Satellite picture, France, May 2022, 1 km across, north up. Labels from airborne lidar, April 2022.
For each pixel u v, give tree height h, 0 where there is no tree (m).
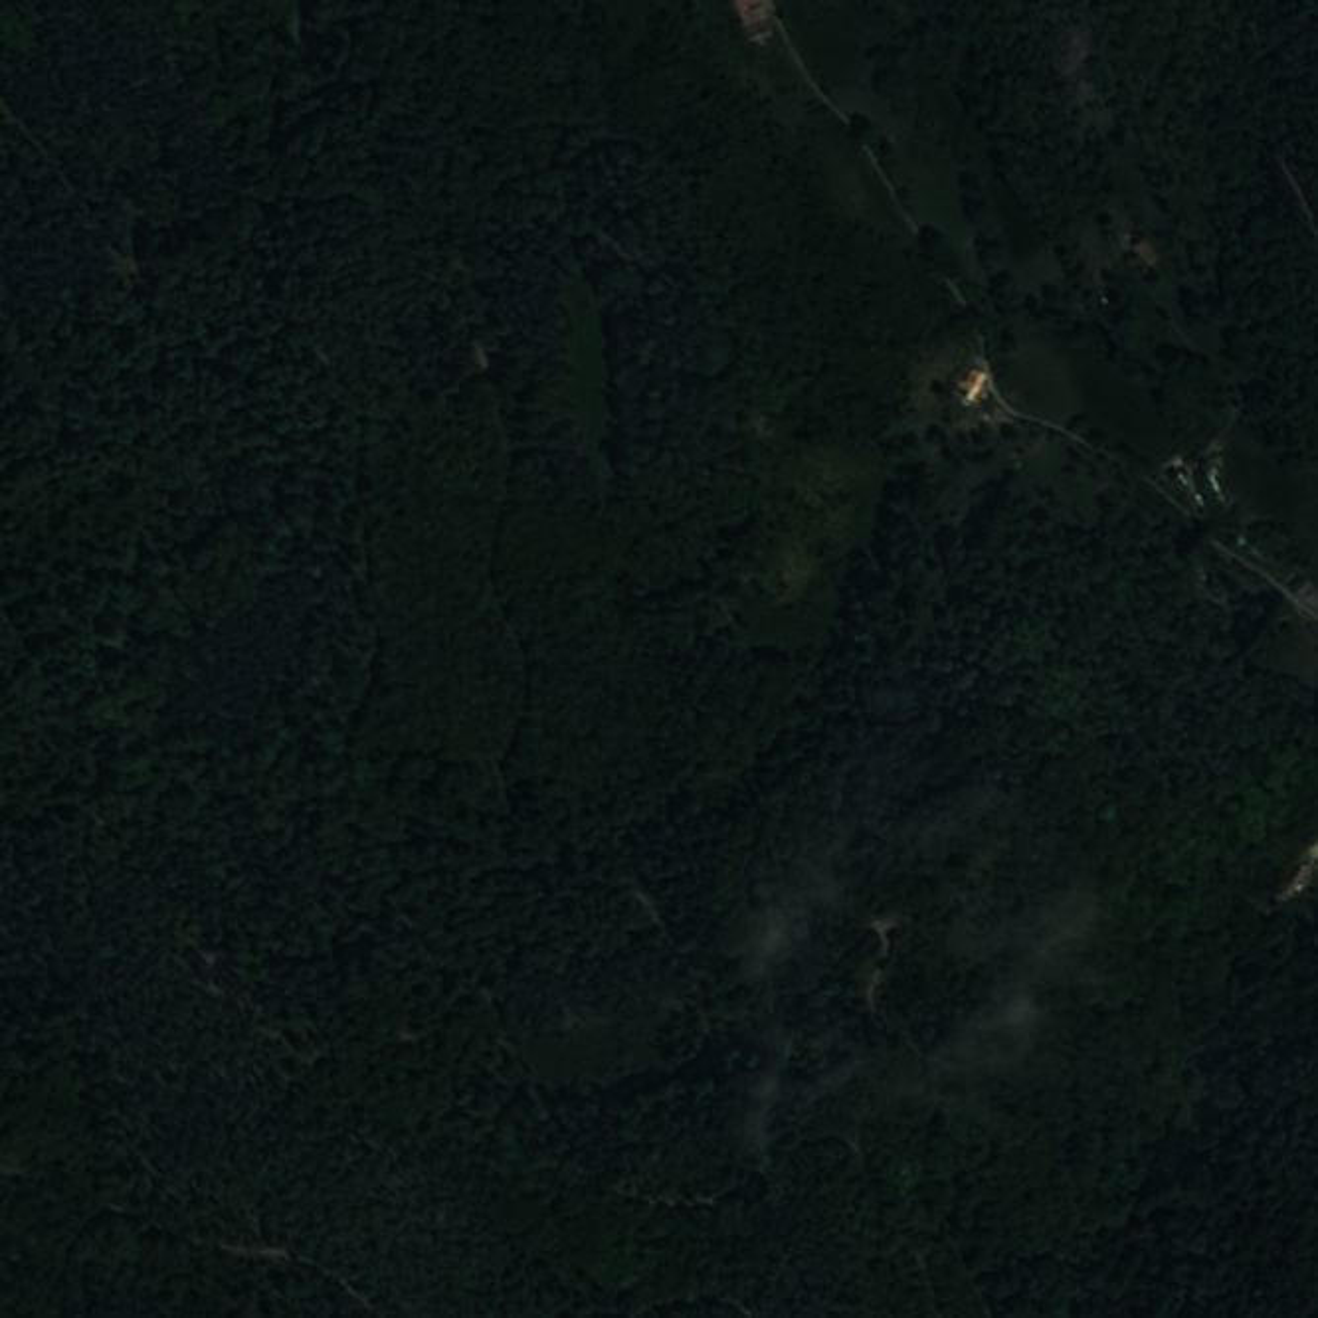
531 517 12
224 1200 24
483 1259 21
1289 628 8
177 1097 24
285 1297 29
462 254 32
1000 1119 23
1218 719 26
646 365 38
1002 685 17
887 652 26
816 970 24
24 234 27
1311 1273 18
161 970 24
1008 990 7
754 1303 24
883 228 0
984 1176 25
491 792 27
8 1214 24
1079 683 13
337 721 40
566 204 29
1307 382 26
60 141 25
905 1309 11
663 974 24
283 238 32
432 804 35
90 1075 29
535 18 27
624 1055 12
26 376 33
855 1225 9
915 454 19
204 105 22
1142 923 33
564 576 10
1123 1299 15
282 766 31
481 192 33
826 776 20
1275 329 29
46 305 30
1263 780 17
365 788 36
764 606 6
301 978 26
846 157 0
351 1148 23
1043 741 17
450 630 16
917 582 19
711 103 10
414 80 22
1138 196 0
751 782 11
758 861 27
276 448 34
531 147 28
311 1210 20
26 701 18
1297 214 26
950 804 26
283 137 33
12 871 35
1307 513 0
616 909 30
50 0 28
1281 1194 25
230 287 35
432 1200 20
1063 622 27
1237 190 26
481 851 31
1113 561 22
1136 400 0
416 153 23
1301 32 21
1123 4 19
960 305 7
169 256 32
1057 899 24
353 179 28
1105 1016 29
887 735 29
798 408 15
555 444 27
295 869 33
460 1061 15
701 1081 28
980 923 12
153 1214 19
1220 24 21
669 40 11
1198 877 29
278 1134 23
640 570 9
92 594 35
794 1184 14
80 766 11
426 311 12
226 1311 7
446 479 16
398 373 31
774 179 11
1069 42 0
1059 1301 36
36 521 9
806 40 0
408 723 16
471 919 37
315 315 26
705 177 11
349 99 28
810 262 7
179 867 21
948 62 21
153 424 36
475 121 21
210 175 25
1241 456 0
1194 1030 18
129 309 35
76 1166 20
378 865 34
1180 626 27
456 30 23
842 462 0
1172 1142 8
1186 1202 25
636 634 13
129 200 24
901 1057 13
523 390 33
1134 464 18
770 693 22
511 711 15
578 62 20
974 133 0
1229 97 21
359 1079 11
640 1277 14
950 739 27
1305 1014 14
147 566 31
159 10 19
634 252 33
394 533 14
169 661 25
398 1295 13
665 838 6
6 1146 24
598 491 16
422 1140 7
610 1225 13
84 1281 31
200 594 30
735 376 16
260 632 25
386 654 18
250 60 24
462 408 25
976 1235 23
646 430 33
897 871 22
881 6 16
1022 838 18
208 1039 21
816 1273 11
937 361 0
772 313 15
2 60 29
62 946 36
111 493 14
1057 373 0
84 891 30
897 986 8
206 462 24
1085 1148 36
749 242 10
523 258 33
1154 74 20
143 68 25
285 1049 10
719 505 10
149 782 21
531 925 36
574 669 18
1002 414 0
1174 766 19
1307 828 19
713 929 34
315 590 33
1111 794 21
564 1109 27
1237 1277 24
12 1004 36
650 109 11
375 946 34
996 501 22
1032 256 0
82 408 43
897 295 7
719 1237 10
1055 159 18
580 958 34
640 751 15
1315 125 26
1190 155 17
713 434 32
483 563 18
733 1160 16
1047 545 22
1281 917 8
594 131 20
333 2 33
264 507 35
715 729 14
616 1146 29
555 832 29
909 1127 16
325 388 31
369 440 12
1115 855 21
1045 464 0
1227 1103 19
